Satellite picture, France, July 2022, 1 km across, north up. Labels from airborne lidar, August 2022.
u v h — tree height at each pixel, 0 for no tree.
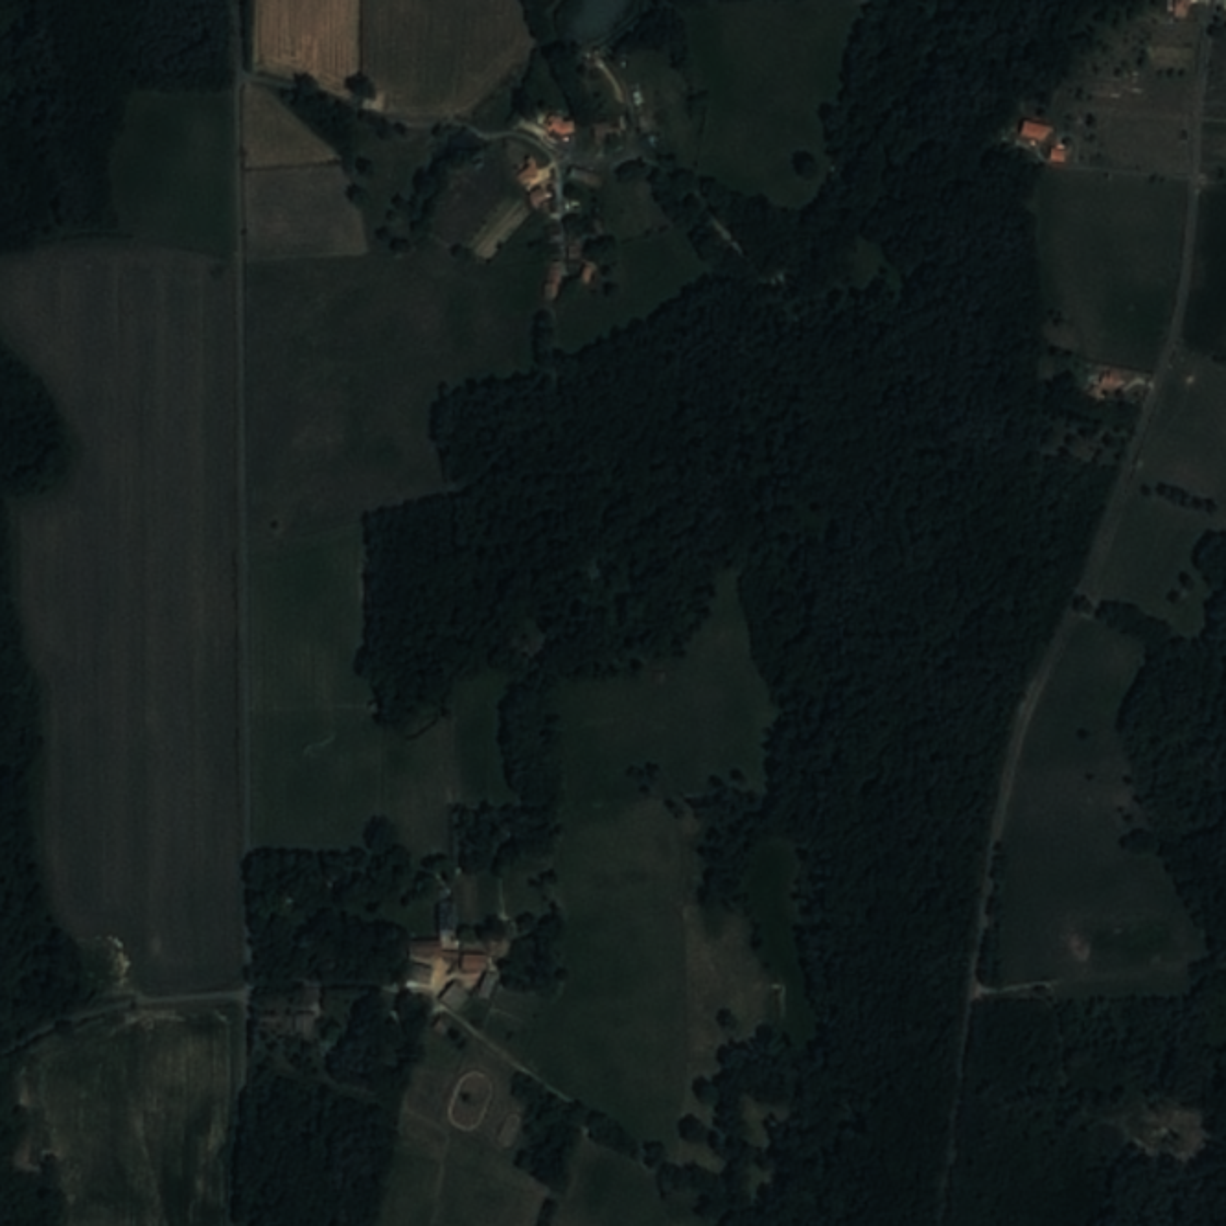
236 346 0
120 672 0
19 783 19
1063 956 0
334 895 10
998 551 14
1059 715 0
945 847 23
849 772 28
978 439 20
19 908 15
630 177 14
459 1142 0
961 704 19
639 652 24
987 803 13
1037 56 15
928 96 27
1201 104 0
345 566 0
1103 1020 13
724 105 0
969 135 26
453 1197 0
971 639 22
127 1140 0
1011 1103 13
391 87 0
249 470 0
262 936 18
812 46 0
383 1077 17
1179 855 18
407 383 0
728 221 16
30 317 0
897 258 24
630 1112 0
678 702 0
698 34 0
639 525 9
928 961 18
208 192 0
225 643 0
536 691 21
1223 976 14
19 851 12
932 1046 12
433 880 13
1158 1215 25
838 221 22
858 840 24
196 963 0
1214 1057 20
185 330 0
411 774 0
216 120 0
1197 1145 0
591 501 20
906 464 25
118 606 0
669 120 0
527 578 28
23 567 0
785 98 0
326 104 20
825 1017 25
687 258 0
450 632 26
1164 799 11
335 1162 17
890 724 19
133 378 0
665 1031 0
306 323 0
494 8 0
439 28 0
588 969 0
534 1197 0
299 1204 20
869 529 25
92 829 0
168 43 22
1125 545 0
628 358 18
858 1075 23
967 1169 9
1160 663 16
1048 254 0
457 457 18
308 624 0
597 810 0
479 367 0
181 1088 0
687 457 21
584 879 0
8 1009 19
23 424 23
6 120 24
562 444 14
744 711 0
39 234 10
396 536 16
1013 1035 8
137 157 0
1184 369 0
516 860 17
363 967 21
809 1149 25
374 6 0
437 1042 0
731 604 0
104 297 0
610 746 0
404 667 25
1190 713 7
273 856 17
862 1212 22
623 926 0
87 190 20
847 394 24
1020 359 25
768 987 0
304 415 0
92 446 0
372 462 0
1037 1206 6
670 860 0
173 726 0
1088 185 0
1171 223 0
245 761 0
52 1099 0
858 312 16
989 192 24
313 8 0
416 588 20
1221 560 18
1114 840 0
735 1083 22
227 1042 0
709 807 21
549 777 21
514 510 22
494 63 0
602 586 7
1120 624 14
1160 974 0
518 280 0
